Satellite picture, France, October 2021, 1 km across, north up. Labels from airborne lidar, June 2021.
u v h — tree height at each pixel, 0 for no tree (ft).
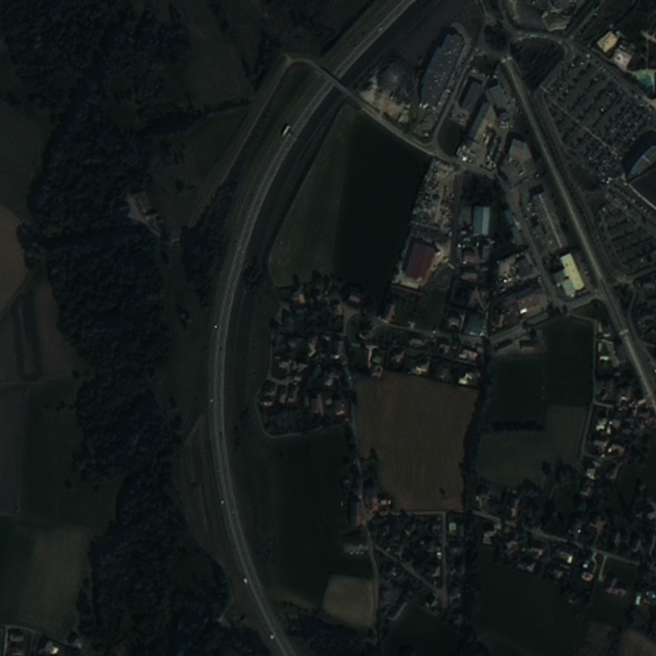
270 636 0
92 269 69
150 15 29
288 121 0
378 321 0
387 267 0
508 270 0
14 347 0
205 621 81
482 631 0
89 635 60
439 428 0
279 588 0
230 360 0
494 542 18
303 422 0
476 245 0
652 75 0
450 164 0
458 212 0
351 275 0
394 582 21
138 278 120
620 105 0
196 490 0
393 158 0
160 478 29
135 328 91
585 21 0
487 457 0
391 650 0
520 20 0
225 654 0
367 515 0
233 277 0
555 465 0
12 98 23
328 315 43
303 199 0
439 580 19
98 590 63
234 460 0
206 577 0
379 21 0
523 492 28
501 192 44
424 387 0
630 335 0
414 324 0
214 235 21
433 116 0
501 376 0
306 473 0
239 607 0
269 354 0
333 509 0
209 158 0
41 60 66
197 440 0
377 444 0
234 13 0
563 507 0
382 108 0
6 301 0
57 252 82
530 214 0
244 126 0
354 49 0
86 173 73
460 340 20
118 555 94
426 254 0
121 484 0
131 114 0
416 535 37
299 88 0
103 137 89
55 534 0
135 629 19
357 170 0
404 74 0
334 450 0
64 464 0
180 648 73
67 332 52
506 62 0
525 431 27
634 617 26
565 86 0
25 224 0
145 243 51
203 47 0
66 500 0
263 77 33
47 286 0
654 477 0
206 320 0
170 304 0
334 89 0
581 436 0
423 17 0
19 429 0
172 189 0
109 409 81
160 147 0
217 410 0
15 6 64
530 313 0
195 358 0
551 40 0
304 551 0
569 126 0
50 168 67
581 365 0
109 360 73
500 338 0
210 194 0
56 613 0
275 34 0
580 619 0
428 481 0
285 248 0
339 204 0
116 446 94
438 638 0
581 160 0
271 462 0
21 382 0
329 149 0
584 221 0
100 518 0
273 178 0
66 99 93
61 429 0
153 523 94
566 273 0
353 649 65
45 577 0
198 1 0
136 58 48
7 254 0
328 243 0
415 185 0
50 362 0
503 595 0
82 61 55
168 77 0
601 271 0
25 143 0
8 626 0
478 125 0
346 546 0
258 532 0
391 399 0
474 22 0
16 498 0
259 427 0
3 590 0
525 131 0
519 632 0
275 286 0
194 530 0
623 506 0
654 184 0
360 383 0
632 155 0
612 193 20
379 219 0
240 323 0
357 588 0
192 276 57
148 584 91
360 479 50
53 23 64
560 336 0
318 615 21
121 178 72
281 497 0
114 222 42
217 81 0
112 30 0
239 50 0
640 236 0
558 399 0
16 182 0
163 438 40
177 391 0
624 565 0
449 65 0
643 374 0
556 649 0
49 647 0
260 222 0
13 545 0
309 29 29
